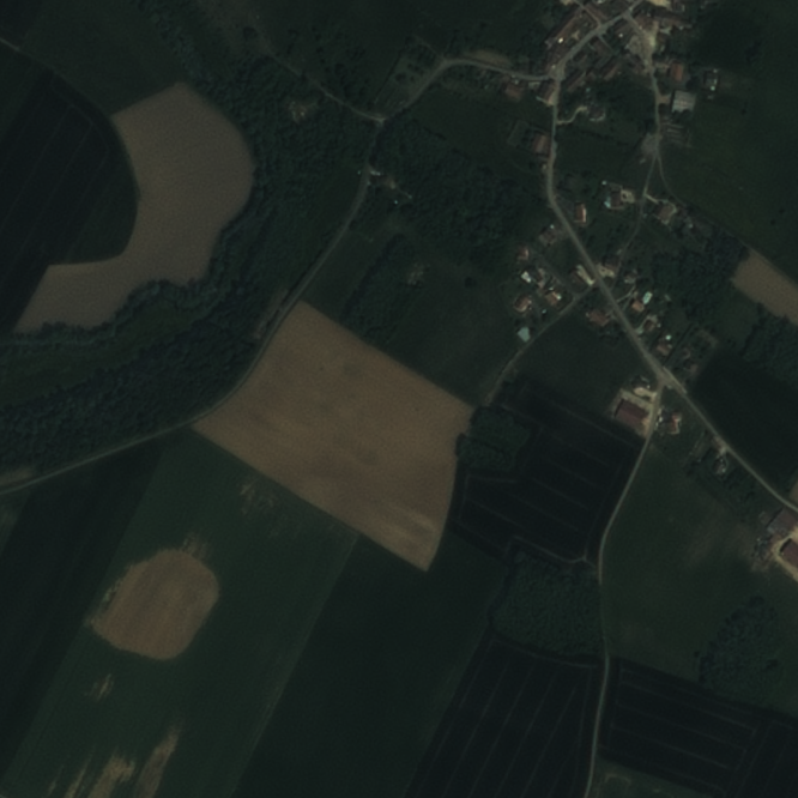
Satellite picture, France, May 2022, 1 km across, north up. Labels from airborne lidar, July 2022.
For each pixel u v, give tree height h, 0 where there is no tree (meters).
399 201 11
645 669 0
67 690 0
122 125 0
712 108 0
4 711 0
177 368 20
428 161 21
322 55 10
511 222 20
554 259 0
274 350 0
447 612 0
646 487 0
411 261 20
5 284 0
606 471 0
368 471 0
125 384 24
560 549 0
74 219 0
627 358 0
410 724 0
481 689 0
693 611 0
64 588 0
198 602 0
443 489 0
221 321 14
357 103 7
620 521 0
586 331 0
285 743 0
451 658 0
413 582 0
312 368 0
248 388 0
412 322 0
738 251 16
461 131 0
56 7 0
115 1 0
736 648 25
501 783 0
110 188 0
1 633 0
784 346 23
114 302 0
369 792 0
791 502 0
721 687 21
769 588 0
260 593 0
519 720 0
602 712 0
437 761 0
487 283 0
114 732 0
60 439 20
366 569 0
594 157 0
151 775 0
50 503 0
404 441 0
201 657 0
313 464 0
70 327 14
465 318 0
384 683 0
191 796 0
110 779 0
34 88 0
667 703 0
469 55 0
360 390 0
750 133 0
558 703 0
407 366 0
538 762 0
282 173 21
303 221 20
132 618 0
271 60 16
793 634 0
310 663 0
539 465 0
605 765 0
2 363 16
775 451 0
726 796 0
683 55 7
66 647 0
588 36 0
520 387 0
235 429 0
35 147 0
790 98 0
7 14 0
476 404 0
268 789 0
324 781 0
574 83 0
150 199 0
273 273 21
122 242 0
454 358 0
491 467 14
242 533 0
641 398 0
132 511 0
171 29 19
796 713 0
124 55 0
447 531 0
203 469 0
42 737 0
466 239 16
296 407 0
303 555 0
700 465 8
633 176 0
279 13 0
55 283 0
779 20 0
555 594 25
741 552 0
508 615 23
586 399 0
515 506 0
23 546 0
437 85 7
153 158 0
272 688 0
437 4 0
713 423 0
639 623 0
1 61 0
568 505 0
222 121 0
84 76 0
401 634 0
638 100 0
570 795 0
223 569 0
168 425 14
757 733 0
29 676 0
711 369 0
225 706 0
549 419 0
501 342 0
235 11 0
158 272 0
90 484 0
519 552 17
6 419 7
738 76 0
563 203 0
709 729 0
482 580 0
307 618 0
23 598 0
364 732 0
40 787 0
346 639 0
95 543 0
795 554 0
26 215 0
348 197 0
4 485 0
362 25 0
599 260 0
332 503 0
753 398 0
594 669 0
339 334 0
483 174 20
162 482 0
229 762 0
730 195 0
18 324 0
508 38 0
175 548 0
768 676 21
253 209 13
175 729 0
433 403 0
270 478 0
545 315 8
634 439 0
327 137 15
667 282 15
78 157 0
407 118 14
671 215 0
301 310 0
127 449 0
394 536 0
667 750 0
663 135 0
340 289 0
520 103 0
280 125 21
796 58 0
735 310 0
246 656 0
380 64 0
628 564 0
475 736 0
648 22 0
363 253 0
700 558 0
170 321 0
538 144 0
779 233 0
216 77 17
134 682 0
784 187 0
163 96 0
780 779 0
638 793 0
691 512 0
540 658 0
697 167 0
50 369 0
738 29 0
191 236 0
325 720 0
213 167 0
